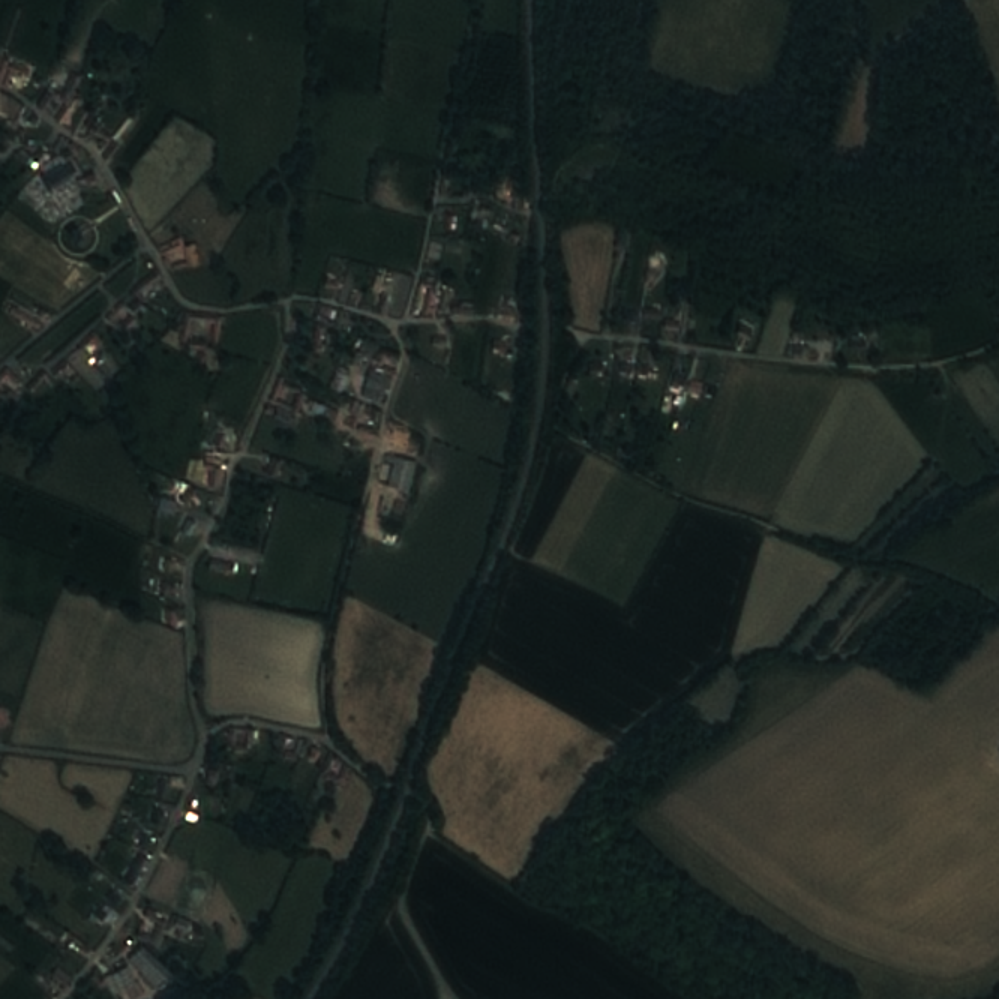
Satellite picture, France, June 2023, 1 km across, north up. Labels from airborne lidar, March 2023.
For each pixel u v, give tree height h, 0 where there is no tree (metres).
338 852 0
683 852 0
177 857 0
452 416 0
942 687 0
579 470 0
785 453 0
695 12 0
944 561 0
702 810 0
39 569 0
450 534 0
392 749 0
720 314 0
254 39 0
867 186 26
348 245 0
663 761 16
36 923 0
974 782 0
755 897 0
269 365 0
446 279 12
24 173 6
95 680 0
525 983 0
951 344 0
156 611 0
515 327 0
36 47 0
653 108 16
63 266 0
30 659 0
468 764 0
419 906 0
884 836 0
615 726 0
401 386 0
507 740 0
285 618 0
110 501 0
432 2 0
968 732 0
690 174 10
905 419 0
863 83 0
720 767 0
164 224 0
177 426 0
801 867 0
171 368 0
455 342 0
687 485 0
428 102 0
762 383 0
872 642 8
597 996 0
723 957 26
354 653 0
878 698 0
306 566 0
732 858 0
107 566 0
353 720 0
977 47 21
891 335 0
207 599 0
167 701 0
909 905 0
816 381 0
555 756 0
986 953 0
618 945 17
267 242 0
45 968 0
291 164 12
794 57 21
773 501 0
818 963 20
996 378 0
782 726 0
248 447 0
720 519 0
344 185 0
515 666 0
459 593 0
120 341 8
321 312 0
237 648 0
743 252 18
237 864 0
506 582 0
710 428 0
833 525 0
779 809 0
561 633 0
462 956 0
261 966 0
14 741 0
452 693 17
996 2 0
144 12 0
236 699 0
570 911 16
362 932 18
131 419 20
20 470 0
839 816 0
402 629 0
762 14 0
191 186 0
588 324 0
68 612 0
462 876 0
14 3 0
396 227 0
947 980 0
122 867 0
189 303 0
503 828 0
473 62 12
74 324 0
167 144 0
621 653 0
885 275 7
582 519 0
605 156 0
